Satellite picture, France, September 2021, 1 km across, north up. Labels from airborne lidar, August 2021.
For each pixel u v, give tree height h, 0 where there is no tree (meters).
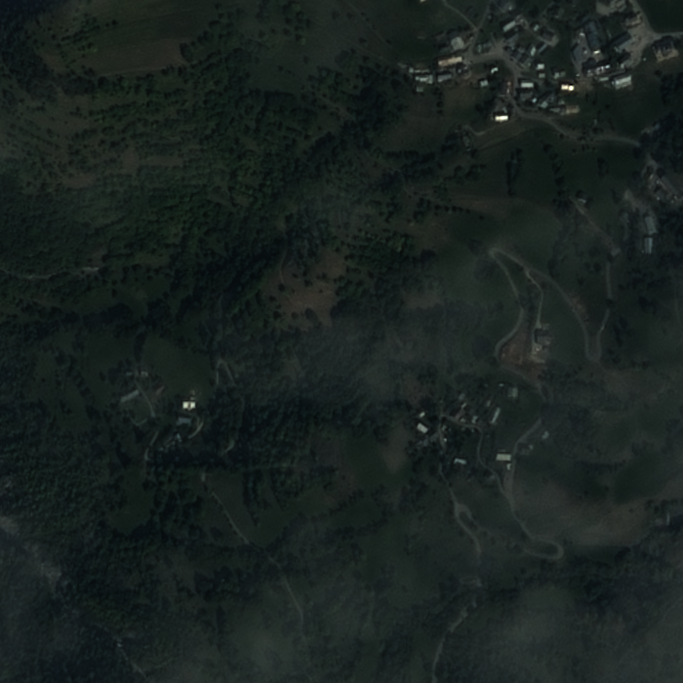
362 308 16
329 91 13
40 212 22
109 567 8
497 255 0
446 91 0
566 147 0
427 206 8
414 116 0
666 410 0
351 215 10
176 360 0
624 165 0
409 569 0
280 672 15
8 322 7
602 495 0
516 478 0
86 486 8
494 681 10
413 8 0
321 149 18
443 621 18
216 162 15
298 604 0
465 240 0
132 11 0
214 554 20
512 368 0
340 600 13
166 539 11
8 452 7
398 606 0
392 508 9
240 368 12
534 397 0
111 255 14
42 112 12
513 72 0
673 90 14
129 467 18
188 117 14
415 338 0
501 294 0
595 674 0
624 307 0
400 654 17
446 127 0
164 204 18
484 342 0
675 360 0
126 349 0
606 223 0
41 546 6
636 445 0
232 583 17
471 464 11
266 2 12
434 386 12
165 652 10
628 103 0
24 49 13
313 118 17
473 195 0
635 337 9
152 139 12
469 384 13
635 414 0
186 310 16
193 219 18
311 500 0
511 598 7
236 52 11
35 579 9
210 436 0
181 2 0
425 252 0
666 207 12
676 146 17
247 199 12
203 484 0
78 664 8
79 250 18
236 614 0
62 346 0
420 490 12
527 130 0
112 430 9
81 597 13
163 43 0
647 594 0
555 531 0
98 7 0
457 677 8
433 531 0
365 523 0
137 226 17
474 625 0
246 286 23
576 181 0
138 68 0
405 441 0
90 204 9
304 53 0
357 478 0
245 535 0
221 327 16
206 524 0
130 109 14
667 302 0
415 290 13
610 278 0
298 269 10
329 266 0
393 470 0
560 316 0
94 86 16
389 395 0
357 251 14
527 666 0
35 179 10
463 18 0
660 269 10
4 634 7
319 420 15
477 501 0
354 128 14
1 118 9
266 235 21
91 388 0
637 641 15
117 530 0
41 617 10
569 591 9
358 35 0
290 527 0
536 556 0
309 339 14
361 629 9
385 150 0
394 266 18
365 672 0
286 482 13
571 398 26
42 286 14
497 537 0
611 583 12
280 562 16
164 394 6
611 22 8
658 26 0
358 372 17
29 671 14
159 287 0
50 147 10
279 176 13
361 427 15
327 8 0
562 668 0
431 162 12
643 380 0
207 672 15
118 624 8
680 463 0
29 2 15
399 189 16
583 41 0
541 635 0
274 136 13
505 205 0
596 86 5
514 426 0
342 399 20
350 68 11
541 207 0
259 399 19
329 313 0
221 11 11
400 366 7
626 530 0
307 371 17
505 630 14
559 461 0
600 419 0
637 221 14
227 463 0
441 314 16
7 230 18
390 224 12
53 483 8
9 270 10
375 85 12
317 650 0
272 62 0
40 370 0
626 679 10
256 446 20
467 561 0
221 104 18
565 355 0
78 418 0
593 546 0
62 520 11
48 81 17
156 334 19
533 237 0
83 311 0
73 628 18
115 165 19
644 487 0
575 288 0
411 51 0
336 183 9
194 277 13
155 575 7
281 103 20
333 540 19
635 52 0
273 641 0
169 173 14
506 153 0
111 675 18
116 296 11
